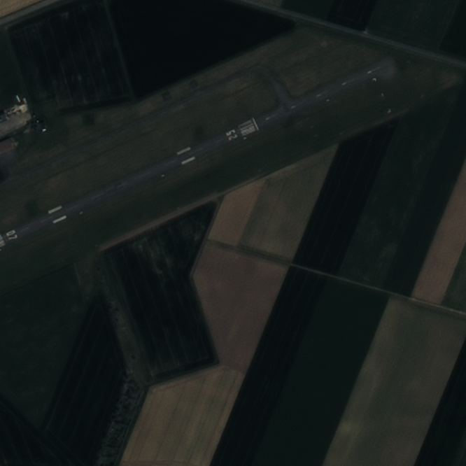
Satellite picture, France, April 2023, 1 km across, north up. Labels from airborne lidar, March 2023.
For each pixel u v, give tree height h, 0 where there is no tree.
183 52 0
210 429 0
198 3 0
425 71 0
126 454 0
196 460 0
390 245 0
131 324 0
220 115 0
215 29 0
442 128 0
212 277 0
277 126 0
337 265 0
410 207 0
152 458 0
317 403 0
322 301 0
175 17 0
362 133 0
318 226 0
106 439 12
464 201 0
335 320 0
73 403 0
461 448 0
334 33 0
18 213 0
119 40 0
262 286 0
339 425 0
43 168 0
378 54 0
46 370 0
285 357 0
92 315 0
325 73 0
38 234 0
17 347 0
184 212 0
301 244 0
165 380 0
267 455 0
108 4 0
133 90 0
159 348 0
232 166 0
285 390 0
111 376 0
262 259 0
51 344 0
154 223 0
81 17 0
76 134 0
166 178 0
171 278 0
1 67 0
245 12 0
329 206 0
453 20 0
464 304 0
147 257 0
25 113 0
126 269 0
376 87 0
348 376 0
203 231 0
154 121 0
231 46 0
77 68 0
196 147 0
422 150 0
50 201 0
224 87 0
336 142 0
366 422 0
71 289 0
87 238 0
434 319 0
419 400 0
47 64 0
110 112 0
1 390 0
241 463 0
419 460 0
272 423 0
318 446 0
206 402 0
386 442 0
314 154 0
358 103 0
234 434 0
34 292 0
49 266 0
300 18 0
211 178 0
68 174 0
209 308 0
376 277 0
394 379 0
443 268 0
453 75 0
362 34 0
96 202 0
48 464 0
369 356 0
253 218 0
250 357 0
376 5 0
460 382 0
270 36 0
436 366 0
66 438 0
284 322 0
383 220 0
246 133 0
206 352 0
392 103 0
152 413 0
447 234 0
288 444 0
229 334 0
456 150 0
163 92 0
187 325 0
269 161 0
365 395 0
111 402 0
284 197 0
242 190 0
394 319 0
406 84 0
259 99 0
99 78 0
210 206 0
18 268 0
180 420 0
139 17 0
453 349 0
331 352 0
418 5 0
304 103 0
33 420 0
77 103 0
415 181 0
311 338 0
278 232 0
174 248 0
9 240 0
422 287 0
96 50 0
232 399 0
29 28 0
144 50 0
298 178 0
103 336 0
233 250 0
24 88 0
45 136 0
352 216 0
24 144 0
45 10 0
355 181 0
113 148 0
